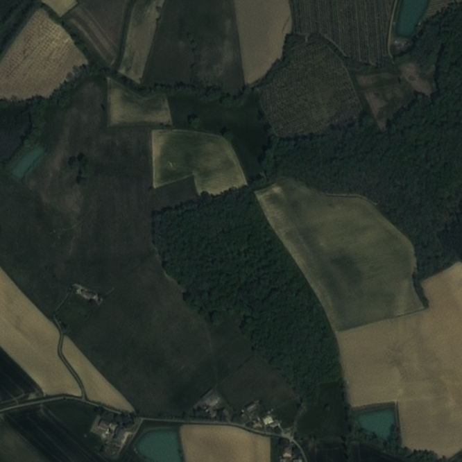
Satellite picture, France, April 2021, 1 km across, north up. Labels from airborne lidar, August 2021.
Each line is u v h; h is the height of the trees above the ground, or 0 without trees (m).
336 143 16
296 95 6
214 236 22
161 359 0
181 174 0
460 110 23
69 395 0
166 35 0
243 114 0
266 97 6
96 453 0
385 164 20
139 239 0
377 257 0
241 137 0
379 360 0
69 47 0
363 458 0
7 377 0
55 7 0
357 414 0
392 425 0
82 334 0
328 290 0
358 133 23
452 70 21
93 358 0
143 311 0
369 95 0
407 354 0
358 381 0
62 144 0
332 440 0
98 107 0
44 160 0
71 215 0
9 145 10
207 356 0
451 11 10
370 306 0
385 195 15
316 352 26
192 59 0
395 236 0
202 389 0
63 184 0
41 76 0
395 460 0
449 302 0
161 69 0
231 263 19
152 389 0
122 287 0
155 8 0
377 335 0
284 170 22
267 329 17
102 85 0
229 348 0
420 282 16
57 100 15
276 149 24
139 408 0
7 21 16
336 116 6
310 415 0
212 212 24
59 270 0
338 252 0
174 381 0
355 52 6
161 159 0
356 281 0
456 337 0
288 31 0
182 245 17
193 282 20
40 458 0
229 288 20
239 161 0
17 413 0
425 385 0
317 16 8
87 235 0
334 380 17
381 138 24
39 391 0
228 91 0
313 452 0
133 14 0
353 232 0
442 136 22
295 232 0
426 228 18
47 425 0
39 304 0
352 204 0
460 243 20
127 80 13
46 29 0
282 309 23
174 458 0
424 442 0
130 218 0
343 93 5
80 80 10
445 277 0
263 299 20
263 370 0
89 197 0
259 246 17
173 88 8
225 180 0
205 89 8
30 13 15
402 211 16
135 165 0
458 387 0
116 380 0
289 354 18
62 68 0
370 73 15
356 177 18
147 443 0
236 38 0
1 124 8
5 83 0
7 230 0
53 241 0
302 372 20
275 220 0
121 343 0
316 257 0
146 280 0
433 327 0
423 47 19
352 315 0
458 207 10
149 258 0
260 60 0
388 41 0
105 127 0
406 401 0
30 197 0
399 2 0
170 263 16
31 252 0
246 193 20
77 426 0
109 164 0
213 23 0
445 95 24
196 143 0
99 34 0
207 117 0
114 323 0
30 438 0
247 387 0
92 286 0
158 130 0
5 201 0
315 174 17
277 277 23
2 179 0
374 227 0
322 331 18
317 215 0
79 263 0
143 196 0
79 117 0
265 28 0
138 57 0
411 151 24
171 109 0
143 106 0
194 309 18
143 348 0
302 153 26
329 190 10
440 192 21
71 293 8
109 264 0
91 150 0
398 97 0
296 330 22
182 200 0
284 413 0
